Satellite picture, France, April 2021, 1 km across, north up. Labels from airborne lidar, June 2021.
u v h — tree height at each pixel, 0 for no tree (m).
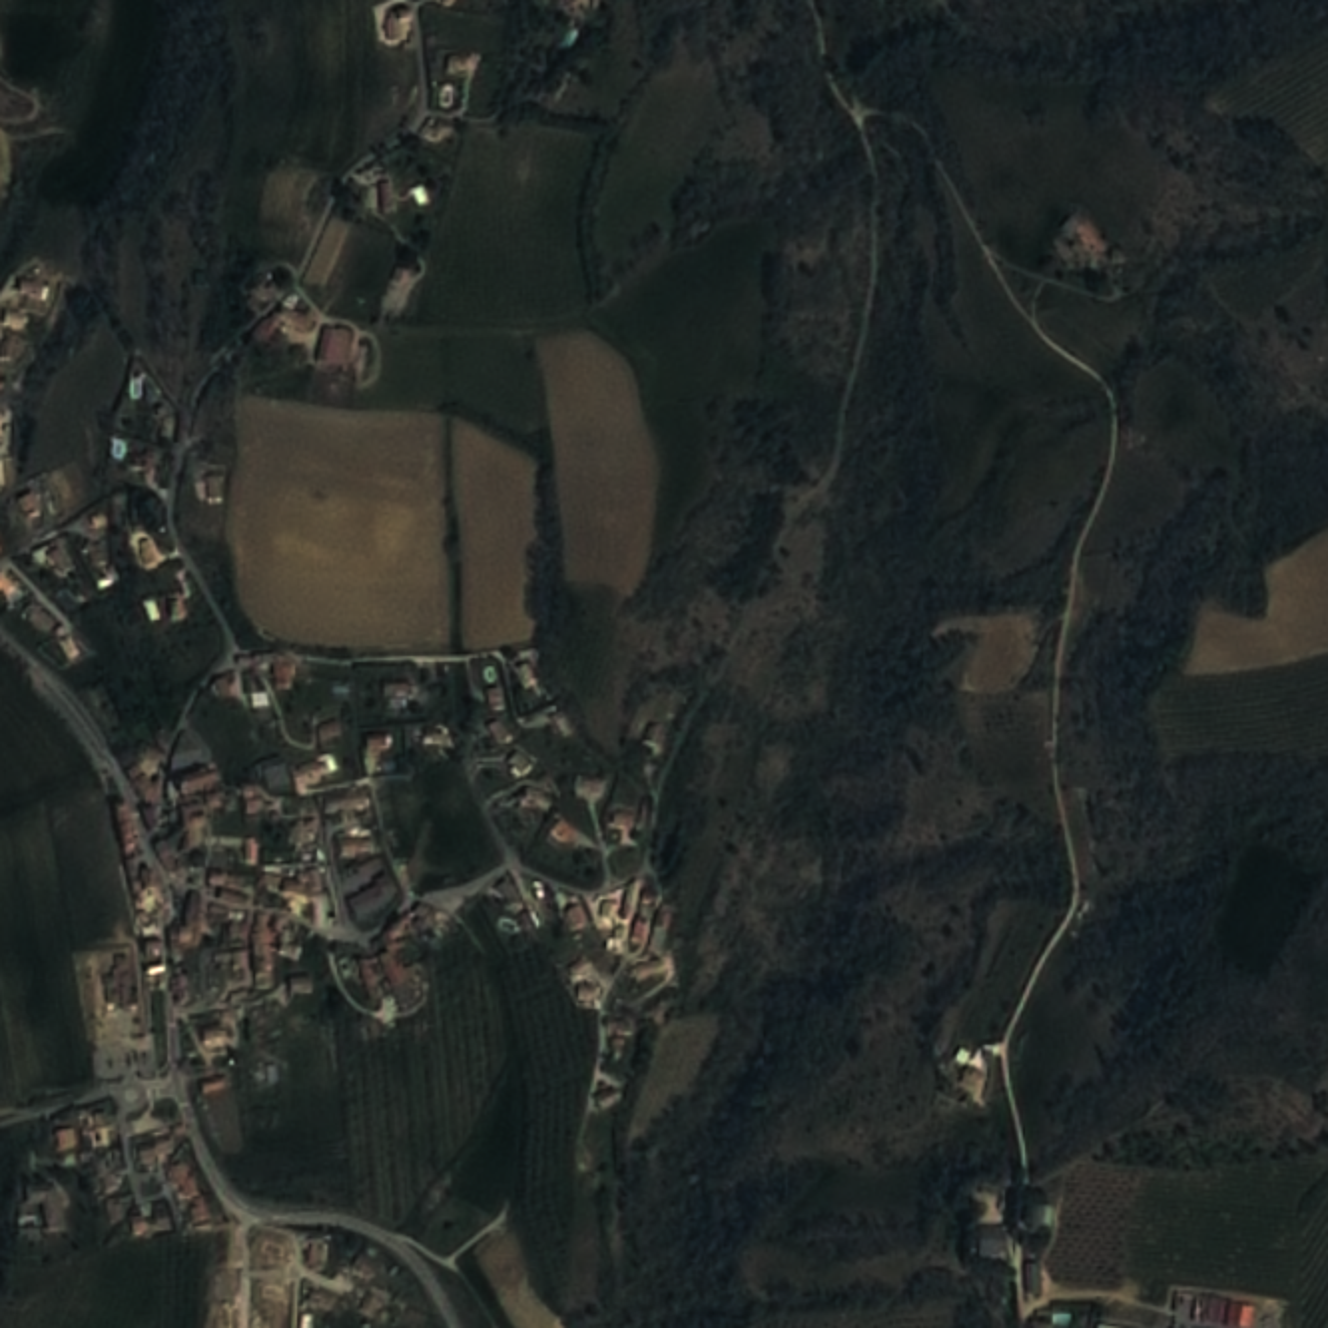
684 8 8
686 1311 9
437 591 0
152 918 8
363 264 0
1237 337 12
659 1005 8
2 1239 15
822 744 15
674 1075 0
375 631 0
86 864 0
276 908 10
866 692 10
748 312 0
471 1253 0
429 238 10
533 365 7
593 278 7
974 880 8
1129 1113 11
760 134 0
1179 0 20
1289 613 0
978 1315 13
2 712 0
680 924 11
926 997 0
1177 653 15
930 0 17
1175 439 0
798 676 16
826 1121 0
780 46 10
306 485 0
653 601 8
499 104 6
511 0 8
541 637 10
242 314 9
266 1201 6
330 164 0
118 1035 0
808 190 19
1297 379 6
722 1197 13
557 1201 6
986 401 0
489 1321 0
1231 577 13
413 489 0
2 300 0
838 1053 10
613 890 0
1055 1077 0
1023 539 0
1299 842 13
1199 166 8
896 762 10
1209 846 12
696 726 10
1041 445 0
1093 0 18
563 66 12
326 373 0
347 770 6
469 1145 0
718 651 9
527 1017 6
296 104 0
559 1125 6
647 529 0
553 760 0
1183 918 17
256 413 0
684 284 0
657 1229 15
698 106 0
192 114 16
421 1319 0
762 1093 7
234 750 0
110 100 0
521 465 0
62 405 0
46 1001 0
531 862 0
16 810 0
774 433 10
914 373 19
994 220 0
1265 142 20
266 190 0
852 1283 0
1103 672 9
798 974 18
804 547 0
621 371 0
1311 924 11
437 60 5
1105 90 12
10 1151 10
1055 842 9
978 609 8
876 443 16
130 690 11
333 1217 0
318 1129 0
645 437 0
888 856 6
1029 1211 11
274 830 10
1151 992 12
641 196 0
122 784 0
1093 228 0
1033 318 0
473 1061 6
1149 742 12
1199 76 13
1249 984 16
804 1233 14
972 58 22
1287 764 11
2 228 16
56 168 0
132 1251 0
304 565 0
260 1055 0
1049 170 0
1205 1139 7
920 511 19
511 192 0
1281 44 22
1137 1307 0
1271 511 18
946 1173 14
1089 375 0
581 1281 0
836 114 18
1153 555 6
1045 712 0
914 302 7
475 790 0
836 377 8
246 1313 0
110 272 11
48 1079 0
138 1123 0
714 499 9
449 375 0
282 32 0
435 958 6
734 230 0
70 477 0
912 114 12
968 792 0
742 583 16
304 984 0
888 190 17
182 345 11
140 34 0
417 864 0
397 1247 0
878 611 14
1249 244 14
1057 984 0
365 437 0
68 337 12
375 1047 6
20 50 0
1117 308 0
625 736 7
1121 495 0
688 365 0
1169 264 12
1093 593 0
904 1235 14
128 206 10
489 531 0
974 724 0
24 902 0
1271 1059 9
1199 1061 13
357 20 0
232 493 0
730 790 0
